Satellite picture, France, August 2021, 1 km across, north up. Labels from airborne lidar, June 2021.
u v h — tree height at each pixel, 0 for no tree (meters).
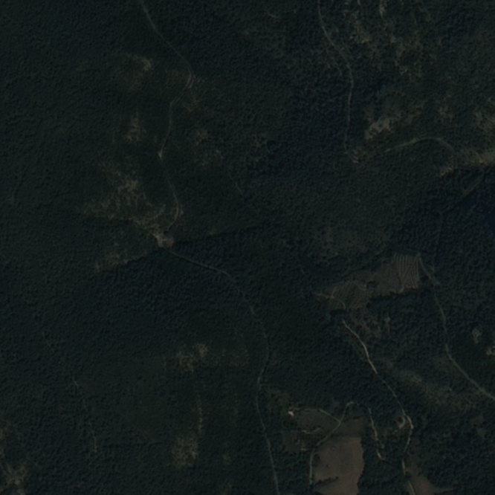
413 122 8
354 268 14
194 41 20
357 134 8
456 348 8
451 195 10
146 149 9
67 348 9
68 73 9
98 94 12
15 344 10
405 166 13
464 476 14
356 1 6
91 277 8
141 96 9
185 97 8
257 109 14
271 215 14
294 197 10
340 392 12
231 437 6
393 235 9
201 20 20
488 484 15
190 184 9
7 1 8
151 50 9
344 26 8
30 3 11
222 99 6
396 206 10
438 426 12
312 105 13
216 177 7
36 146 10
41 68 7
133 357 8
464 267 12
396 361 7
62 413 9
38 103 5
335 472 0
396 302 12
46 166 7
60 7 10
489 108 6
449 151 9
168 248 7
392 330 11
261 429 13
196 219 9
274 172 9
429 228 10
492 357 8
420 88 7
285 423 10
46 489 8
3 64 11
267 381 9
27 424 8
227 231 10
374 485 17
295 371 10
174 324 9
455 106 5
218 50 16
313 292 11
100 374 6
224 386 9
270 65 8
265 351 11
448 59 7
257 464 17
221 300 14
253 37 9
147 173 8
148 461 9
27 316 11
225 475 7
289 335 9
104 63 10
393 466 12
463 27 7
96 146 13
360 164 11
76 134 7
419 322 12
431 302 17
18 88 10
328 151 12
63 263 8
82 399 8
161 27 12
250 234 17
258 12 7
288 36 15
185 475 6
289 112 18
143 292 8
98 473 7
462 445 15
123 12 12
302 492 11
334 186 9
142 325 9
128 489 9
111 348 7
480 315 13
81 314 10
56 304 9
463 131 10
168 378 8
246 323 13
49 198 12
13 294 8
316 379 8
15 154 7
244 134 14
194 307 7
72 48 11
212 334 8
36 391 6
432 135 5
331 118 6
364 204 9
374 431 10
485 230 7
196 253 17
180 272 8
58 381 10
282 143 16
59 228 12
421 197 15
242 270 14
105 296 12
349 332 11
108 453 10
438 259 8
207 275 8
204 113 6
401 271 0
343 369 11
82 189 8
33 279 9
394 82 7
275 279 8
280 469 8
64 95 11
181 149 8
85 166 13
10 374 8
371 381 18
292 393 10
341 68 10
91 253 9
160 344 11
